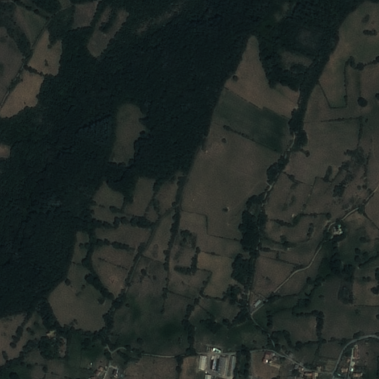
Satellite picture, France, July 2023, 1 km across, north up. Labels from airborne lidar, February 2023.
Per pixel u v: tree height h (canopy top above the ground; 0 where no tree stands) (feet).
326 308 0
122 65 84
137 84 58
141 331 0
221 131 0
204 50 74
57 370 0
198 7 54
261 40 28
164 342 0
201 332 0
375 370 0
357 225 0
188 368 0
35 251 69
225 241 0
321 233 0
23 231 110
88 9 0
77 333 25
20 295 41
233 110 0
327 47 24
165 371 0
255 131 0
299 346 46
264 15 49
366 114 0
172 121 53
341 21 26
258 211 0
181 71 75
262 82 0
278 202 0
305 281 0
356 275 0
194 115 60
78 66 62
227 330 0
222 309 0
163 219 0
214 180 0
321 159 0
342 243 0
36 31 0
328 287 0
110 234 0
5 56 0
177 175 0
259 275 0
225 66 65
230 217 0
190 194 0
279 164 36
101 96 63
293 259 0
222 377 0
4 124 27
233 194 0
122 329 0
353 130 0
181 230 0
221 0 75
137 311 0
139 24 27
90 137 97
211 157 0
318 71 33
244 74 0
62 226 40
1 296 61
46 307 34
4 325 0
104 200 0
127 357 40
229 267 0
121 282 0
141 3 39
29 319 27
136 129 0
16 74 0
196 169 0
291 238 0
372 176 0
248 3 68
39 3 37
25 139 39
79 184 78
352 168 0
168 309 0
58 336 22
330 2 28
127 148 0
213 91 57
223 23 74
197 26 73
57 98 81
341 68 0
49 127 52
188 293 0
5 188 38
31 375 0
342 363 0
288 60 0
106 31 48
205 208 0
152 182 0
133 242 0
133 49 59
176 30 75
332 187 0
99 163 48
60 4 40
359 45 0
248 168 0
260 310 0
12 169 53
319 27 36
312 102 0
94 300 0
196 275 0
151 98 61
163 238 0
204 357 0
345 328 0
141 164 69
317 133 0
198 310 0
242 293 49
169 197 0
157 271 0
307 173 0
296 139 23
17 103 0
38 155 75
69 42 68
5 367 31
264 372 0
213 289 0
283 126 0
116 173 66
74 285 0
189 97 77
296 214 0
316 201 0
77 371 0
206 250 0
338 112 0
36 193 84
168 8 22
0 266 88
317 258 0
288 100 0
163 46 75
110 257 0
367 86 0
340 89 0
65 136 102
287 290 0
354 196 0
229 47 77
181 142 62
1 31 0
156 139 69
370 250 0
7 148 0
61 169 81
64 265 34
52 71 0
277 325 0
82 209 24
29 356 0
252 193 0
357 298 0
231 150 0
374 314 0
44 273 62
